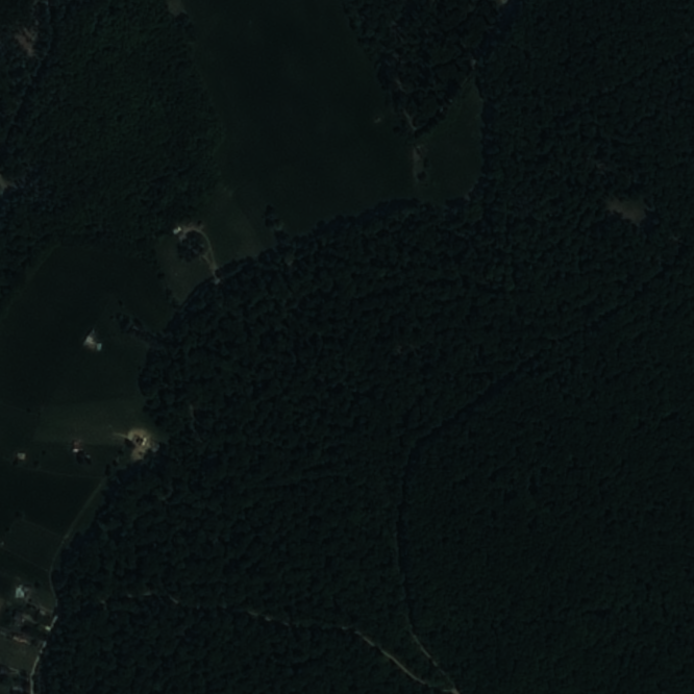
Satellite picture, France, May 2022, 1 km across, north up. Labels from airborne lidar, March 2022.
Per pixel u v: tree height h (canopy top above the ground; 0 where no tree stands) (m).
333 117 0
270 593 24
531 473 20
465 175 0
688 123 24
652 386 31
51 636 11
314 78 0
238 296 30
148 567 29
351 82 0
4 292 30
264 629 29
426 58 33
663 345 32
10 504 0
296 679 28
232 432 32
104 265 0
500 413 28
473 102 0
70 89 26
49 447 0
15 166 27
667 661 30
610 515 32
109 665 27
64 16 24
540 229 29
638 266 27
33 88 15
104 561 30
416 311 24
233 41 0
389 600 22
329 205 0
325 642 30
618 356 33
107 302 0
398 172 0
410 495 29
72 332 0
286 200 0
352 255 28
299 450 28
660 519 31
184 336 26
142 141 24
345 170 0
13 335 0
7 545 0
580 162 29
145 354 0
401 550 20
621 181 26
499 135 27
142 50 27
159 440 0
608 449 29
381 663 27
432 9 6
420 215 26
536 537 29
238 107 0
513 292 27
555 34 31
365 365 27
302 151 0
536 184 27
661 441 29
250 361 27
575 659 31
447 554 25
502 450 26
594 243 31
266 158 0
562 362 30
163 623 30
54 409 0
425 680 25
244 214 0
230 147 0
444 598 24
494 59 33
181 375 27
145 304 0
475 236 29
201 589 25
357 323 30
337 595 25
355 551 24
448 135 0
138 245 21
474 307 27
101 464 0
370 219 20
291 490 27
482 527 29
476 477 27
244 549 26
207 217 0
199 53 0
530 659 29
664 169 28
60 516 0
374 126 0
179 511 28
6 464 0
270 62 0
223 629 25
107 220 23
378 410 28
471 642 28
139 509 29
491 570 27
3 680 17
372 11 30
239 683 29
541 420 28
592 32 27
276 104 0
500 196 25
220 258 0
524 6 30
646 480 30
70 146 24
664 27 26
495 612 29
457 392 30
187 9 0
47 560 0
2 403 0
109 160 24
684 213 28
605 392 33
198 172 22
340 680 25
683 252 27
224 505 29
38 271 0
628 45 29
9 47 26
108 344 0
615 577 32
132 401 0
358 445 28
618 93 28
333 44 0
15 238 27
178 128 24
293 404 25
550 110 28
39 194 26
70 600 29
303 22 0
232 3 0
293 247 11
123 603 25
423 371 26
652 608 30
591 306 28
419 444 25
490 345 27
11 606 0
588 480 27
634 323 30
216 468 30
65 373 0
